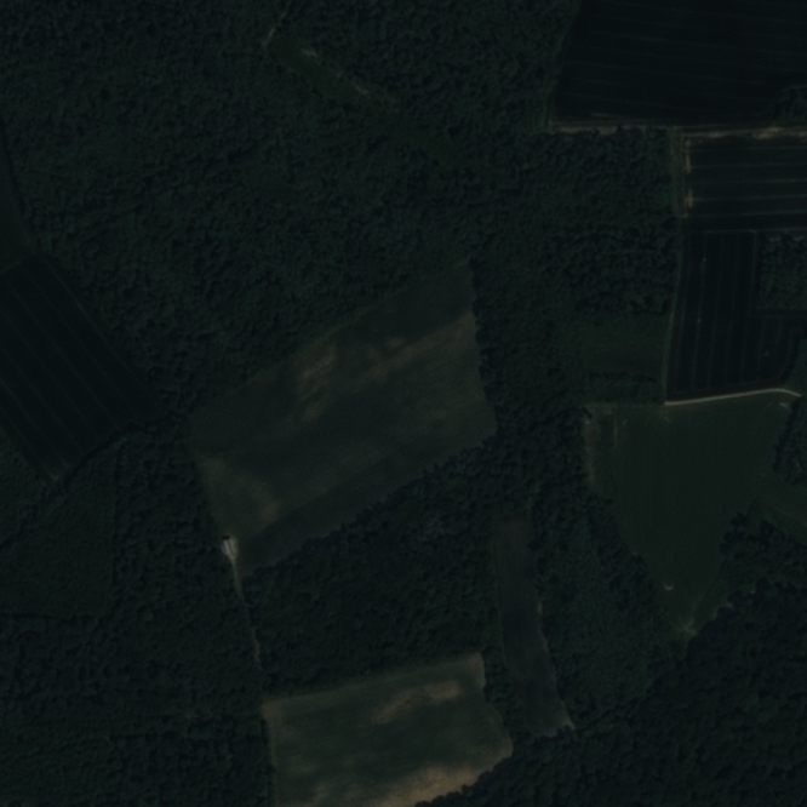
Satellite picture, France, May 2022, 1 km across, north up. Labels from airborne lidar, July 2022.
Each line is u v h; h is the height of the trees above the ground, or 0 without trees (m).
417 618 23
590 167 20
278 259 26
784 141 0
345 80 12
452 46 14
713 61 0
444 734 0
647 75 0
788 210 0
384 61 28
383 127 13
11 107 19
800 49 0
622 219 15
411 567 27
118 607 25
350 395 0
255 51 29
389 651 24
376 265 15
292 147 25
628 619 25
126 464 19
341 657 24
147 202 29
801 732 31
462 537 23
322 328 22
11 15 15
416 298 0
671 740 25
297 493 0
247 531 0
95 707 28
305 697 0
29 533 17
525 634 0
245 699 23
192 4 20
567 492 26
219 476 0
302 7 18
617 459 0
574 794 24
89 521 17
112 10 30
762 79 0
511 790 27
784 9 0
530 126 28
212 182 26
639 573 21
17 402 0
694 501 0
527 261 27
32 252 0
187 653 27
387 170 24
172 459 26
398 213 29
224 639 25
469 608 24
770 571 27
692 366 0
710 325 0
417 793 0
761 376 0
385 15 27
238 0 23
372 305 17
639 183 25
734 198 0
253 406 0
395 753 0
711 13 0
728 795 27
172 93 16
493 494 25
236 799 23
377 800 0
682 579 0
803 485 22
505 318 24
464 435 0
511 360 18
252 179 16
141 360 31
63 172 24
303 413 0
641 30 0
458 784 0
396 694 0
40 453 0
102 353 0
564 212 14
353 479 0
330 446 0
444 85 9
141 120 29
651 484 0
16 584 16
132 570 29
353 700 0
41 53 26
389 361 0
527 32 18
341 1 21
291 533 0
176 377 20
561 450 25
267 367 17
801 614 25
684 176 0
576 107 0
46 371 0
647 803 23
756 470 0
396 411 0
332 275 29
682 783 28
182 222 24
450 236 26
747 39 0
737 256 0
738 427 0
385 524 24
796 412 16
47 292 0
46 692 29
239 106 28
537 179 20
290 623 21
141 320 28
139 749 25
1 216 0
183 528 30
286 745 0
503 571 0
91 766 22
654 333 14
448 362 0
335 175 32
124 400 0
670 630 24
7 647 23
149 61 23
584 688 21
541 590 17
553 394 17
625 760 29
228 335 25
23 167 17
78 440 0
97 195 19
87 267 27
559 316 21
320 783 0
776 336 0
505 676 19
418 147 8
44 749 18
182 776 24
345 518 0
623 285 24
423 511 20
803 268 25
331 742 0
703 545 0
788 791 29
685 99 0
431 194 21
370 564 26
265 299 26
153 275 32
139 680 27
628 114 0
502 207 28
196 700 25
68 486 17
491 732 0
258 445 0
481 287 22
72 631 29
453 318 0
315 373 0
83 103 25
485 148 16
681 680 30
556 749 21
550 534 16
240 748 25
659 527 0
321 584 26
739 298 0
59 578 16
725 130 0
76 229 24
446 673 0
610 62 0
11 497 8
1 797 20
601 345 0
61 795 21
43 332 0
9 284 0
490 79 19
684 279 0
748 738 25
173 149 22
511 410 13
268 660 23
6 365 0
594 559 28
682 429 0
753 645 25
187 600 28
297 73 7
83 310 0
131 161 21
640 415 0
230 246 15
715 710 23
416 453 0
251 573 0
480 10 19
